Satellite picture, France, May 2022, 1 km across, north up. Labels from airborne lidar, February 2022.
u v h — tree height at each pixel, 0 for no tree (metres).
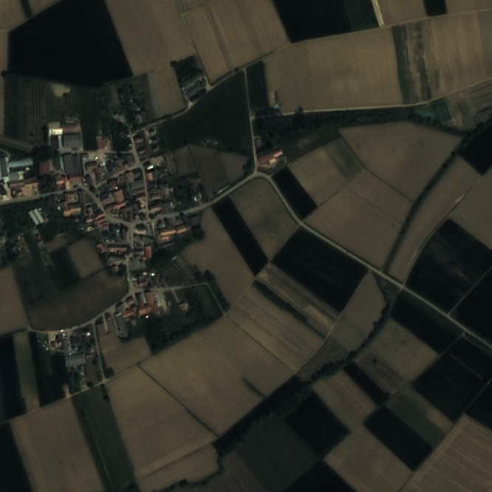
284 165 0
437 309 0
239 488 0
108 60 0
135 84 0
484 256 0
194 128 0
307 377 0
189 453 0
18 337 0
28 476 0
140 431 0
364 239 0
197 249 0
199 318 9
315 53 0
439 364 0
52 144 0
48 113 0
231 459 0
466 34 0
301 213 0
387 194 0
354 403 0
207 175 0
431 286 0
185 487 16
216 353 0
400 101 0
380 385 0
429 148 0
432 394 0
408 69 0
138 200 0
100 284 0
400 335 0
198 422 0
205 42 0
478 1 0
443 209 0
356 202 0
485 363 0
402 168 0
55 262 0
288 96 0
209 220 0
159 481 0
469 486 0
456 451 0
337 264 0
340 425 0
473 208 0
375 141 0
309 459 0
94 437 0
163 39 0
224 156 0
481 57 0
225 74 0
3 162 0
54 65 0
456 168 0
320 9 0
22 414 0
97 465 0
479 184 0
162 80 0
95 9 0
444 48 0
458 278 0
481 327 0
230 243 0
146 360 0
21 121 0
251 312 0
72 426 0
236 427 0
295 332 0
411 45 0
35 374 0
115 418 0
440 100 0
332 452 0
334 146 0
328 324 0
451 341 0
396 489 0
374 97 0
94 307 0
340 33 0
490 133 0
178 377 0
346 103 0
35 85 0
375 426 0
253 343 0
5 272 0
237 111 0
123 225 0
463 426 0
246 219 0
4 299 0
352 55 0
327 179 0
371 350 0
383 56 0
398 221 0
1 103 0
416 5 0
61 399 0
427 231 0
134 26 0
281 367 0
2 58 0
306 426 0
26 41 0
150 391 0
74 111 0
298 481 0
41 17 0
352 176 0
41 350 0
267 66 0
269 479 0
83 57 0
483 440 0
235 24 0
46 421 0
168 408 0
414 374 0
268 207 0
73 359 0
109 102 0
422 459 0
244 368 0
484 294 0
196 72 10
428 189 7
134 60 0
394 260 0
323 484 0
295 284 0
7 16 0
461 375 0
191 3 0
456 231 0
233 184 0
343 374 0
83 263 0
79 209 0
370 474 0
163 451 0
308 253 0
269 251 0
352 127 0
